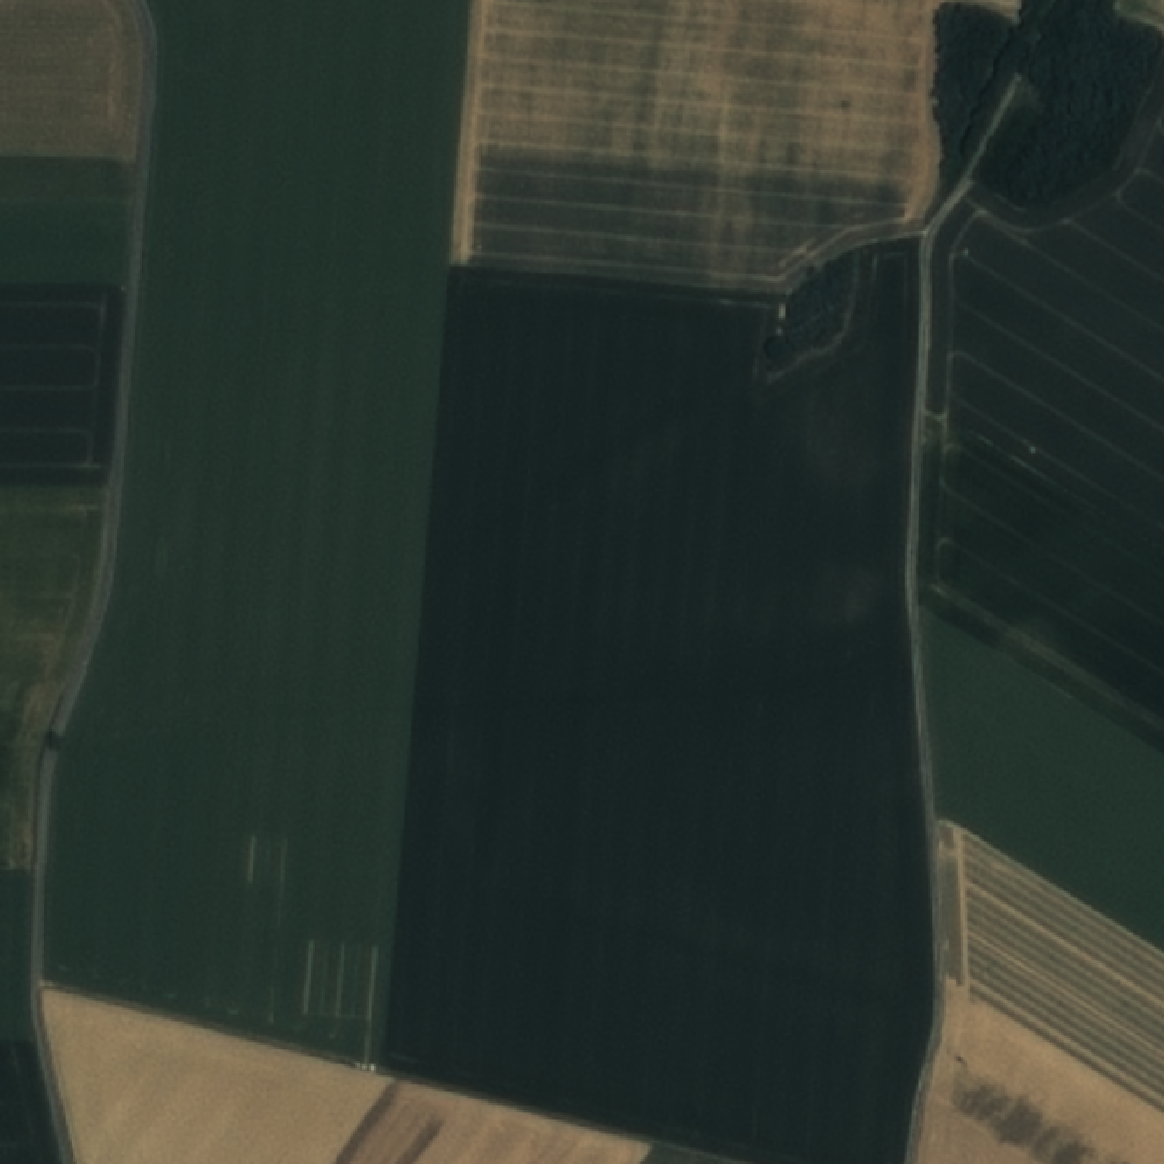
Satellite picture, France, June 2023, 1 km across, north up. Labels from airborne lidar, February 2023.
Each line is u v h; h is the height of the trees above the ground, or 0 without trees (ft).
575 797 0
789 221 0
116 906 0
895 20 0
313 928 0
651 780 0
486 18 0
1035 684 0
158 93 0
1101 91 71
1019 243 0
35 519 0
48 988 0
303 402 0
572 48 0
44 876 0
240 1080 0
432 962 0
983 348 0
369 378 0
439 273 0
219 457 0
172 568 0
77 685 0
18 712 0
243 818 0
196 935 0
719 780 0
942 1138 0
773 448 0
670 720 0
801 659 0
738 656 0
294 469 0
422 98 0
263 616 0
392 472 0
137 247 0
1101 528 0
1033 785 0
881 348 0
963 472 0
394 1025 0
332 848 0
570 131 0
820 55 0
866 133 0
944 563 0
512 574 0
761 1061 0
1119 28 73
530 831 0
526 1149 0
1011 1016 0
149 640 0
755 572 0
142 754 0
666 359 0
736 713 0
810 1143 0
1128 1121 0
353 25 0
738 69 0
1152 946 0
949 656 0
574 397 0
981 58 63
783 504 0
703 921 0
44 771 0
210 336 0
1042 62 57
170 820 0
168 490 0
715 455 0
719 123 0
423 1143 0
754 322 0
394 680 0
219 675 0
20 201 0
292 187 0
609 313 0
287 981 0
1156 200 0
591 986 0
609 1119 0
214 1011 0
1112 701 0
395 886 0
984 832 0
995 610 0
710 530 0
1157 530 0
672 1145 0
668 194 0
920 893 0
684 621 0
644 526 0
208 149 0
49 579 0
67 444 0
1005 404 0
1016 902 0
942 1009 0
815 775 0
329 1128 0
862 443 0
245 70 0
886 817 0
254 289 0
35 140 0
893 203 0
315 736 0
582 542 0
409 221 0
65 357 0
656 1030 0
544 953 0
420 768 0
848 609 0
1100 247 0
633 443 0
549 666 0
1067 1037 0
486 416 0
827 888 0
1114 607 0
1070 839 0
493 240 0
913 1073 0
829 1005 0
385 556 0
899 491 0
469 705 0
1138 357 0
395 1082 0
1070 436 0
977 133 54
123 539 0
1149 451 0
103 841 0
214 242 0
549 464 0
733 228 0
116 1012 0
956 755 0
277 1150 0
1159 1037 0
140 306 0
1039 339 0
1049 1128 0
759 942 0
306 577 0
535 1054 0
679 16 0
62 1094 0
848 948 0
